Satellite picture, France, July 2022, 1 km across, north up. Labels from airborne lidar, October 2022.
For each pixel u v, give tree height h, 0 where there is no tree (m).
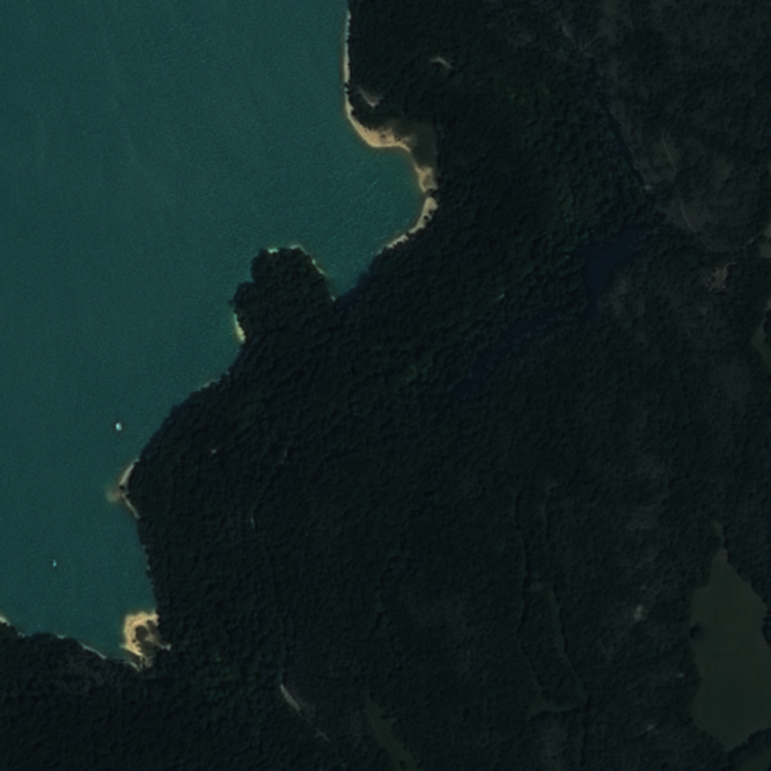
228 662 11
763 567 12
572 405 11
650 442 12
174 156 0
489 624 13
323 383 21
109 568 0
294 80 0
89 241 0
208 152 0
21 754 19
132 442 0
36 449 0
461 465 20
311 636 8
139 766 18
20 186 0
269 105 0
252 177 0
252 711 17
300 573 11
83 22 0
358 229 0
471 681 11
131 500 10
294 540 13
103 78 0
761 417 9
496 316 11
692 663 15
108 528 0
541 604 16
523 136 16
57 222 0
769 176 11
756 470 8
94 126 0
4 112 0
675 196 10
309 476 23
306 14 0
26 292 0
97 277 0
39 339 0
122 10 0
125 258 0
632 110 9
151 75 0
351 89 14
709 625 0
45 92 0
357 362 27
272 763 17
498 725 12
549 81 19
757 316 20
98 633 0
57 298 0
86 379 0
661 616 11
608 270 18
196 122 0
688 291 6
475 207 27
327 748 21
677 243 15
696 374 9
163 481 17
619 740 10
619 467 9
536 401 15
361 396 25
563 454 16
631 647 8
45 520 0
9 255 0
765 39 7
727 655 0
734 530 11
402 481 15
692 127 9
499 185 28
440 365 21
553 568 11
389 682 12
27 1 0
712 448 9
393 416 25
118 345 0
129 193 0
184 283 0
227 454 20
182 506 15
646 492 10
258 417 12
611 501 11
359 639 10
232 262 0
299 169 0
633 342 11
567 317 22
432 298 26
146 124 0
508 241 23
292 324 27
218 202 0
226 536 13
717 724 0
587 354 10
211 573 13
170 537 12
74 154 0
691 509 9
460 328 20
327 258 0
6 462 0
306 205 0
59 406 0
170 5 0
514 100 13
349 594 11
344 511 6
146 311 0
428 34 19
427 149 0
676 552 8
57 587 0
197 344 0
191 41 0
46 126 0
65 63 0
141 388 0
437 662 12
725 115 7
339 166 0
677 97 7
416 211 0
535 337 11
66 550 0
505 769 14
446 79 22
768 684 0
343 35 0
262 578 13
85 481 0
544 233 18
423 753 14
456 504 10
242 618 10
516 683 16
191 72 0
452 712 21
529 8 19
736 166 7
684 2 8
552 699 20
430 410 28
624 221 18
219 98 0
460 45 26
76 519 0
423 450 14
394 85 15
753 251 10
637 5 10
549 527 6
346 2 0
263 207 0
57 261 0
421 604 11
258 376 22
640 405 6
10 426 0
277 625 20
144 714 23
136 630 0
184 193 0
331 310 21
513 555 16
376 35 17
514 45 20
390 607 13
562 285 27
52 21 0
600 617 9
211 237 0
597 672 10
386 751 9
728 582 0
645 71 13
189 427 22
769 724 0
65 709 21
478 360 18
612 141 12
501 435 9
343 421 23
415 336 23
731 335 6
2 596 0
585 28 12
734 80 10
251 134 0
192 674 18
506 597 16
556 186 9
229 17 0
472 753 9
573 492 18
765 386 15
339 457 16
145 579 0
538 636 12
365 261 0
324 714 12
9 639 17
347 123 0
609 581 14
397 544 17
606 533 13
